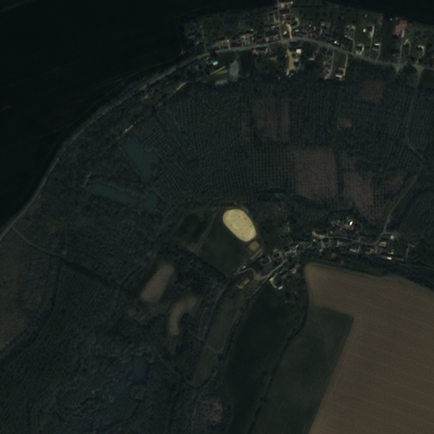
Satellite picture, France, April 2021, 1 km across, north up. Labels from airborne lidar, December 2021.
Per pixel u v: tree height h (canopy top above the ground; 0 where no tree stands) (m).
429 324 0
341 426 0
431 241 19
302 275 15
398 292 0
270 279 0
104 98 0
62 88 0
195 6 0
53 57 0
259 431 0
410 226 27
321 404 0
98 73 0
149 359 17
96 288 30
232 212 0
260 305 0
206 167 0
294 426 0
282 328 0
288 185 17
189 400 13
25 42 0
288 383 0
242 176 0
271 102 20
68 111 0
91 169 10
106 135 19
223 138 0
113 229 20
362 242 0
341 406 0
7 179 0
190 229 0
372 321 0
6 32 0
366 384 0
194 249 0
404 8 0
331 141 29
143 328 13
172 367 18
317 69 21
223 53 0
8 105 0
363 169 13
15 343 15
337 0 0
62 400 9
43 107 0
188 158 0
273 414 0
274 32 0
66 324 26
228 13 10
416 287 0
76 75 0
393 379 0
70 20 0
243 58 0
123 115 19
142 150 0
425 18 0
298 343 0
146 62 0
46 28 0
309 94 28
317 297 0
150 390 19
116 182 0
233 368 0
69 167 16
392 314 0
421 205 24
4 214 0
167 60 0
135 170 0
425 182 17
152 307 0
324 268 0
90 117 12
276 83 23
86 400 13
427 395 0
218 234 0
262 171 12
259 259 0
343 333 0
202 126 0
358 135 9
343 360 0
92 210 21
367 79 8
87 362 23
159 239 9
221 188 0
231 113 0
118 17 0
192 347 7
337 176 19
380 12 0
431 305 0
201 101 0
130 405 7
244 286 0
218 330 0
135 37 0
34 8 0
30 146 0
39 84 0
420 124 26
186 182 0
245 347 0
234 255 0
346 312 0
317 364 0
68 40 0
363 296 0
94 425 6
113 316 30
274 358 0
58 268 12
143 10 0
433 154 23
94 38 0
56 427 6
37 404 39
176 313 0
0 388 26
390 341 0
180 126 0
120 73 0
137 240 14
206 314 7
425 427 0
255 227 0
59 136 0
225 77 0
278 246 0
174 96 0
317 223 0
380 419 0
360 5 0
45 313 17
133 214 24
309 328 0
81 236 7
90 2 0
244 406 0
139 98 21
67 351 30
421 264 5
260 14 8
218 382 11
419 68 0
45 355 25
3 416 27
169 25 0
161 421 19
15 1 0
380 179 13
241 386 0
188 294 0
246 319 0
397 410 0
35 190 0
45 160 0
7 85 0
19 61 0
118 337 21
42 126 0
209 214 0
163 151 0
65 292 30
